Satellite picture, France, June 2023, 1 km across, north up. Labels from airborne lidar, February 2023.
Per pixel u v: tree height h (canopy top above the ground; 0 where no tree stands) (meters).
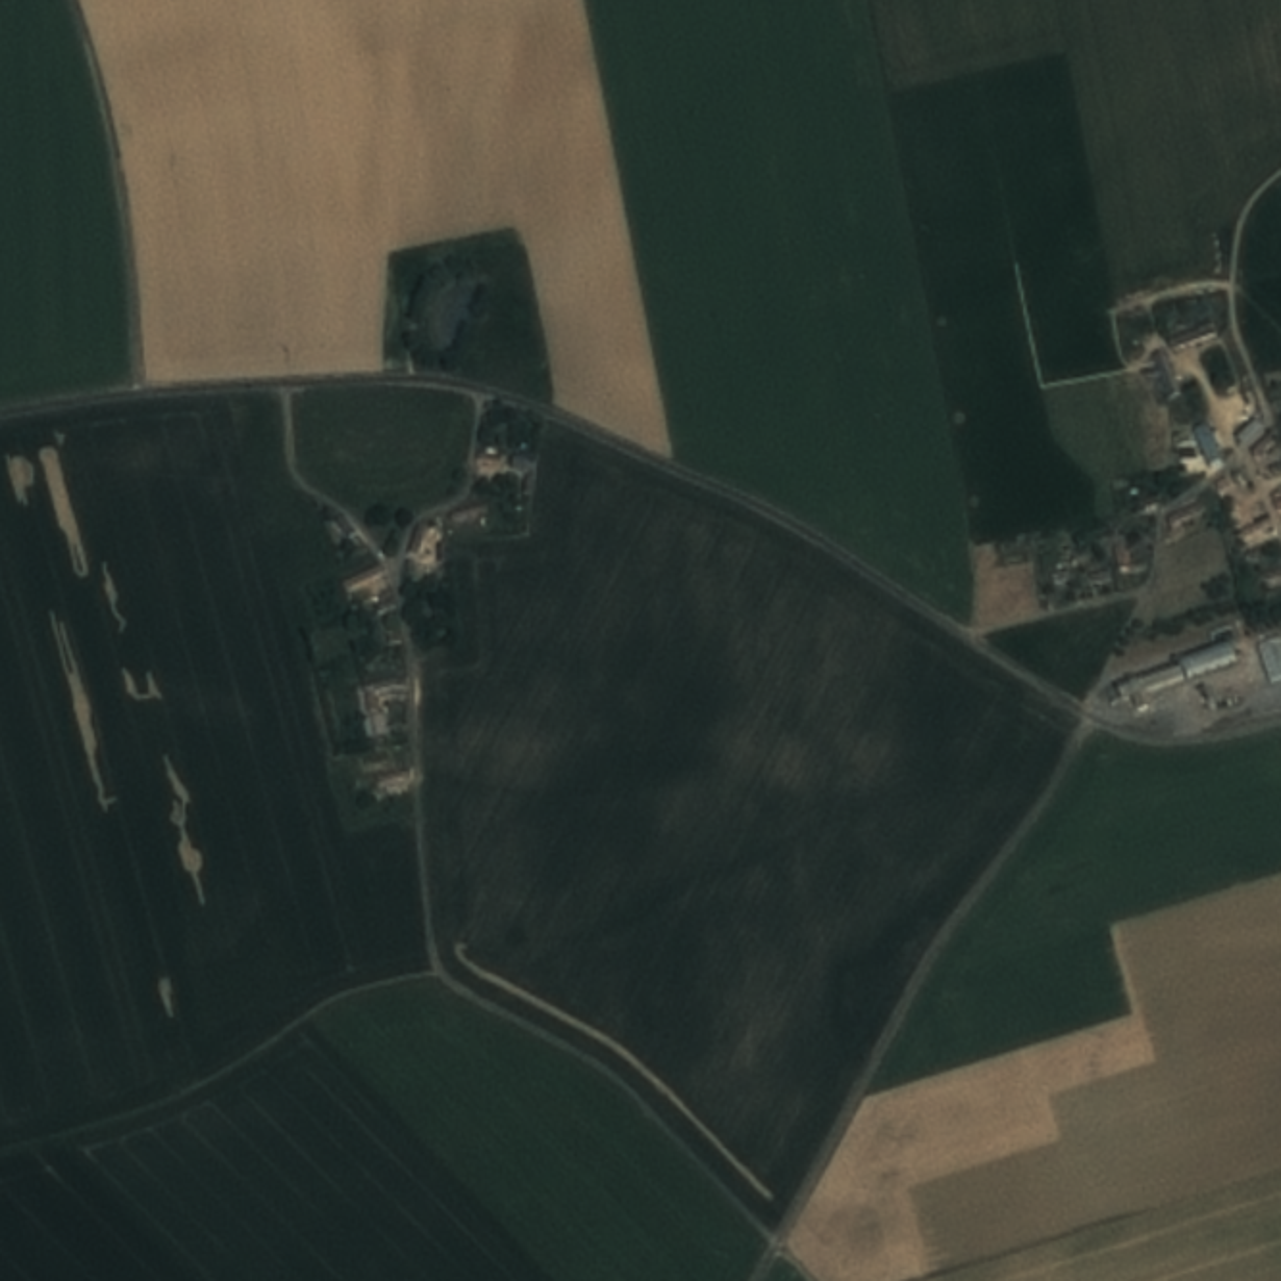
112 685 0
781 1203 0
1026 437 0
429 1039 0
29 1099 0
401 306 0
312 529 0
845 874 0
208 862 0
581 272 0
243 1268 0
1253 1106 0
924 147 0
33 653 0
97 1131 0
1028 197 0
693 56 0
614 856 0
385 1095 0
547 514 0
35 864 0
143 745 0
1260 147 0
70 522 0
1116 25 0
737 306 0
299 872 0
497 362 0
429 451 0
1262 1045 0
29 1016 0
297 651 0
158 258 0
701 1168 0
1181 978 0
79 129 0
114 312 0
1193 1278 0
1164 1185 0
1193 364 0
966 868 0
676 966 0
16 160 0
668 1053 0
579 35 0
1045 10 0
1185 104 0
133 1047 0
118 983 0
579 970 0
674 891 0
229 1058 0
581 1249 0
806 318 0
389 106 0
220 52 0
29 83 0
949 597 0
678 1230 0
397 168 0
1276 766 0
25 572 0
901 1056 0
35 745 0
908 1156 0
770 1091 0
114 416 0
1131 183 0
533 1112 0
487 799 0
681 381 0
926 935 0
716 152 0
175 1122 0
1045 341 0
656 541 0
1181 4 0
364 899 0
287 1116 0
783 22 0
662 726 0
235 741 0
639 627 0
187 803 0
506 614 0
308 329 0
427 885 0
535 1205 0
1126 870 0
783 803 0
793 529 0
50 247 0
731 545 0
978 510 0
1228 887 0
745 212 0
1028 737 0
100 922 0
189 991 0
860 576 0
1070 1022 0
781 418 0
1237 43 0
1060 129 0
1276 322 0
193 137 0
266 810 0
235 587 0
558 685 0
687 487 0
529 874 0
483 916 0
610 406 0
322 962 0
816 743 0
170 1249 0
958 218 0
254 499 0
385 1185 0
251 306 0
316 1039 0
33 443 0
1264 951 0
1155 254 0
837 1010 0
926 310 0
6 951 0
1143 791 0
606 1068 0
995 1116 0
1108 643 0
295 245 0
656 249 0
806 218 0
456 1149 0
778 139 0
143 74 0
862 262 0
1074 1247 0
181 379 0
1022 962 0
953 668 0
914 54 0
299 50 0
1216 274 0
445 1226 0
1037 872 0
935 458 0
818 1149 0
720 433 0
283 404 0
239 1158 0
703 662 0
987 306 0
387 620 12
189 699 0
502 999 0
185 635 0
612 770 0
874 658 0
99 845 0
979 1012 0
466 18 0
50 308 0
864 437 0
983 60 0
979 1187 0
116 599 0
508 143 0
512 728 0
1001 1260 0
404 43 0
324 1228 0
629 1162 0
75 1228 0
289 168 0
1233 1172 0
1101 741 0
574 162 0
